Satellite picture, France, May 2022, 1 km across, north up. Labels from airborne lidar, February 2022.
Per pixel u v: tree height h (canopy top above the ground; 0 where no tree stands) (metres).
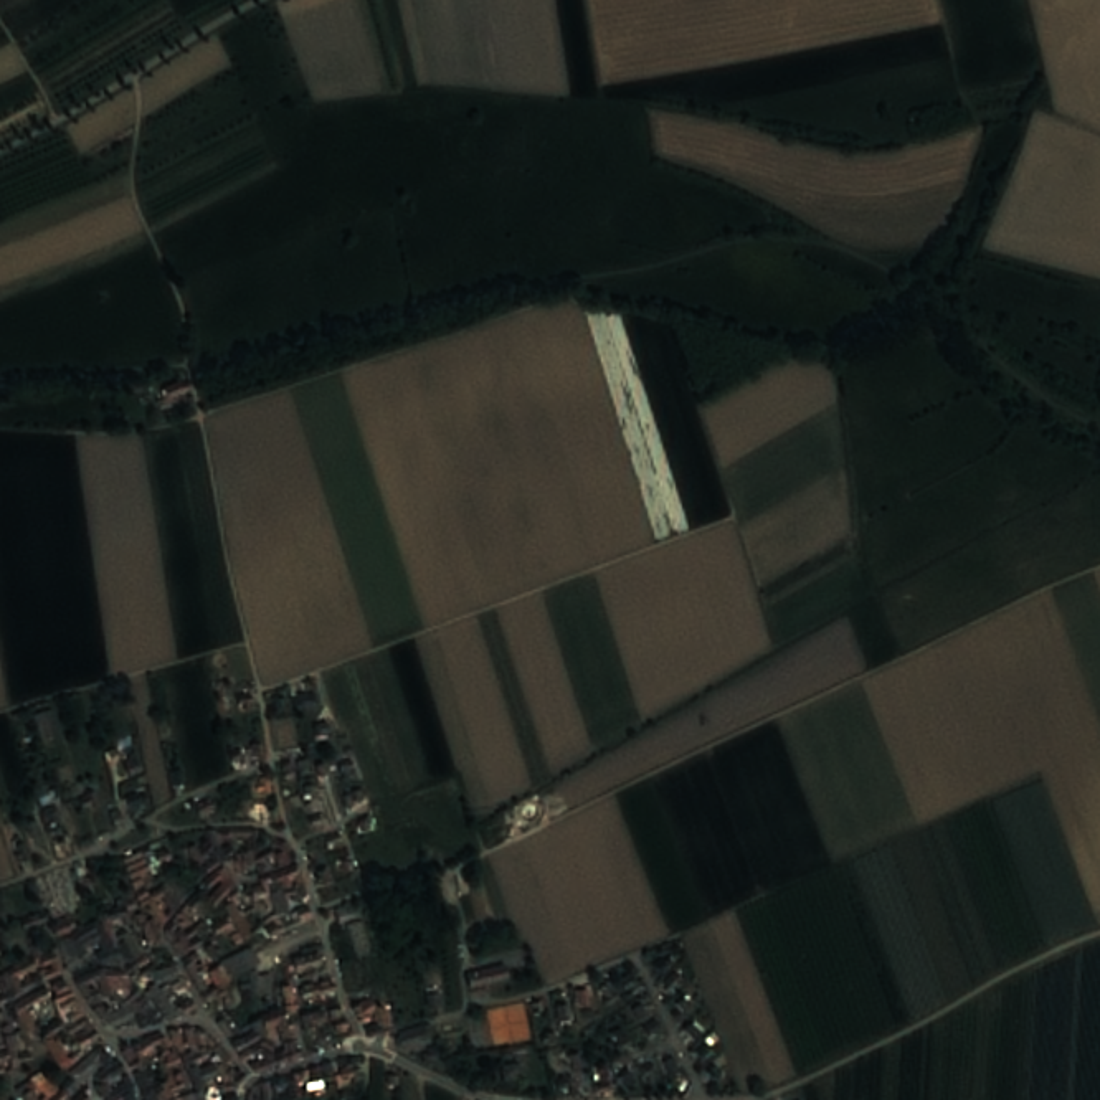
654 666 0
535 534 0
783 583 0
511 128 0
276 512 0
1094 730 0
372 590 0
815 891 0
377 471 0
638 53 0
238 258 0
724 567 0
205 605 0
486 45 0
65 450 0
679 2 0
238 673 0
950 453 0
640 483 0
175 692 0
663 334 0
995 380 15
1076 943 0
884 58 0
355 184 0
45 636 0
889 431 0
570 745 0
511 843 0
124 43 0
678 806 0
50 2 0
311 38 0
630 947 0
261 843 8
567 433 0
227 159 0
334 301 0
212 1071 0
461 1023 0
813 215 0
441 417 0
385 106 0
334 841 0
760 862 0
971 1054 0
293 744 0
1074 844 0
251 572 0
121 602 0
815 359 19
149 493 0
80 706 0
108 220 0
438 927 32
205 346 0
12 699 0
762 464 0
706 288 0
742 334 18
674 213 0
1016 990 0
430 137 0
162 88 0
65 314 0
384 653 0
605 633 0
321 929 0
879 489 0
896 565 0
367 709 0
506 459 0
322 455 0
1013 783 0
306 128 0
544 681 0
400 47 0
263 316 0
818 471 0
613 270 0
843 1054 0
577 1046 0
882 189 0
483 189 0
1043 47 0
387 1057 0
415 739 0
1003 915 0
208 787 0
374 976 0
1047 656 0
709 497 0
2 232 0
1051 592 0
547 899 0
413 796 0
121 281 0
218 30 0
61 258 0
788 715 0
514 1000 0
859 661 0
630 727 0
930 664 0
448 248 0
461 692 0
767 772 0
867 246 0
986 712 0
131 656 0
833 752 0
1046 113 0
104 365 0
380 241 0
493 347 0
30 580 0
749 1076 0
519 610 0
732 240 9
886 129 0
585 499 0
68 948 0
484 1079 6
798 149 0
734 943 0
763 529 0
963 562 0
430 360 0
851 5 0
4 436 0
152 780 0
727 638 0
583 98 0
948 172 0
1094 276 0
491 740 0
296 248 0
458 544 0
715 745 0
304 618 0
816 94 0
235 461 0
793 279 0
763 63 0
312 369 10
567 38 0
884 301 0
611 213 0
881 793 0
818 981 0
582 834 0
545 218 0
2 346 0
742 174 0
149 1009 0
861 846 0
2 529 0
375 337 18
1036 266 0
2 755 0
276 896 0
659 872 0
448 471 0
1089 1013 0
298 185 0
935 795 0
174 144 0
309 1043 0
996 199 10
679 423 0
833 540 0
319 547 0
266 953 0
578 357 0
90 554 0
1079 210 0
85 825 0
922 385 0
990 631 0
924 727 0
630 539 0
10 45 0
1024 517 0
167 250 0
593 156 0
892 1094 0
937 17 0
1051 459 0
